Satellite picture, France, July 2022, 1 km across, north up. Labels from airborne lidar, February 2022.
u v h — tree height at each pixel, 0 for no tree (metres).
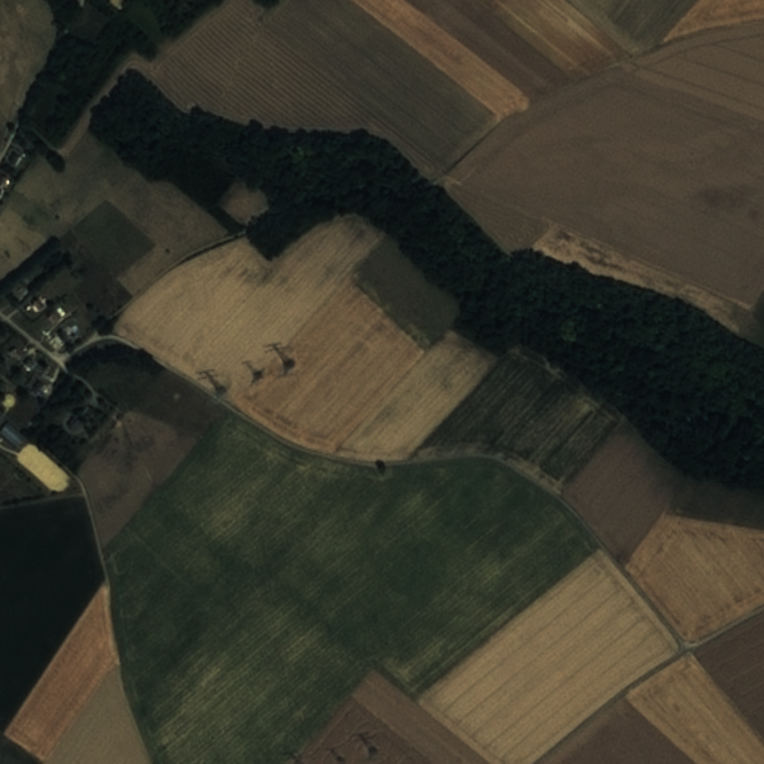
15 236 0
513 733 0
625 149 0
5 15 0
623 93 0
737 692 0
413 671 0
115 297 0
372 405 0
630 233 0
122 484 0
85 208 0
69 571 0
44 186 0
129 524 0
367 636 0
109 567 0
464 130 0
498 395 0
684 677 0
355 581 0
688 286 0
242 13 0
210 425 0
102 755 0
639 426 10
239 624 0
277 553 0
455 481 0
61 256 10
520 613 0
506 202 0
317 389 0
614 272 0
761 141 0
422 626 0
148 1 8
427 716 0
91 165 0
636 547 0
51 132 10
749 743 0
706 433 23
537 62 0
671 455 12
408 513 0
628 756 0
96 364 12
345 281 0
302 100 0
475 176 0
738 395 10
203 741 0
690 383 19
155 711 0
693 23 0
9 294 8
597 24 0
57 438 13
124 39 8
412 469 0
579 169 0
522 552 0
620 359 12
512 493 0
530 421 0
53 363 0
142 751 0
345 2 0
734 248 0
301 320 0
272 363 0
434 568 0
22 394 16
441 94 0
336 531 0
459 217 14
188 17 10
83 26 0
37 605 0
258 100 0
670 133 0
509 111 0
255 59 0
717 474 14
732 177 0
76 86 13
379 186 13
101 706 0
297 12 0
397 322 0
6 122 0
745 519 0
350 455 0
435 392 0
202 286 0
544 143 0
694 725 0
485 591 0
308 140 21
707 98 0
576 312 10
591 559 0
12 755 0
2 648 0
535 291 14
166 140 10
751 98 0
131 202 0
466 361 0
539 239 0
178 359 0
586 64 0
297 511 0
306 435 0
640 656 0
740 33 0
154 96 18
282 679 0
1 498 0
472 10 0
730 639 0
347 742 0
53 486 0
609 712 0
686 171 0
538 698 0
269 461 0
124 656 0
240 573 0
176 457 0
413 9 0
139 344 0
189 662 0
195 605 0
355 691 0
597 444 0
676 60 0
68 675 0
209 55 0
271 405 0
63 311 0
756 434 19
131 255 0
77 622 0
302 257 0
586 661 0
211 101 0
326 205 21
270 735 0
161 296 0
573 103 0
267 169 13
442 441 0
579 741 0
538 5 0
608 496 0
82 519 0
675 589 0
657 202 0
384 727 0
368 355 0
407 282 0
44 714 0
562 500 0
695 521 0
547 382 0
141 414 0
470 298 20
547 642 0
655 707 0
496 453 0
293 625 0
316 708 0
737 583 0
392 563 0
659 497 0
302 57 0
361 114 0
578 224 0
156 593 0
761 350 11
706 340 10
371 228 0
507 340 16
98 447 0
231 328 0
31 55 0
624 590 0
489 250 12
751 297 0
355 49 0
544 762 0
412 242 17
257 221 9
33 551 0
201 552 0
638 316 11
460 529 0
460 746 0
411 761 0
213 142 11
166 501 0
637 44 0
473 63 0
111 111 24
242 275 0
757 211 0
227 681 0
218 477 0
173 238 0
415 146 0
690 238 0
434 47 0
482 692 0
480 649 0
